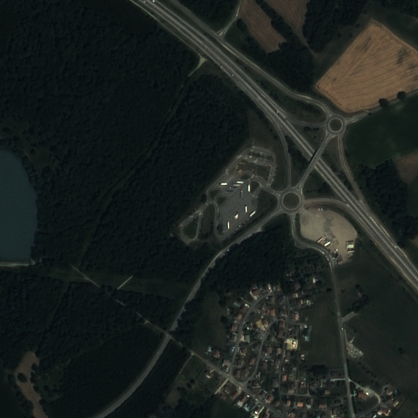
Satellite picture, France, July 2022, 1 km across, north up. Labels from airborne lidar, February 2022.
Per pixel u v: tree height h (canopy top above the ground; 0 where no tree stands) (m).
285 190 0
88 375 10
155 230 25
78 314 23
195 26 0
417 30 0
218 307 0
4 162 0
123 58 25
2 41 12
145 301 24
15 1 23
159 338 6
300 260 7
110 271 19
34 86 25
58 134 25
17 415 0
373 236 0
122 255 23
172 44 24
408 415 0
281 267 7
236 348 0
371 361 0
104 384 6
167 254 24
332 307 0
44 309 22
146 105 20
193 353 0
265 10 8
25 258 0
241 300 9
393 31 0
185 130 24
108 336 16
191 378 0
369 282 0
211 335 0
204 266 13
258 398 0
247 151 0
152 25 9
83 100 30
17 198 0
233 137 29
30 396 0
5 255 0
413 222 22
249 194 0
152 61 25
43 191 24
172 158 22
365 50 0
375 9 0
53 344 24
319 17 21
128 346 7
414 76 0
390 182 27
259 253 31
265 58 17
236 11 0
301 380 0
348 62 0
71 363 7
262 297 0
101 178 27
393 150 0
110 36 25
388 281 0
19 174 0
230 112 24
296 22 0
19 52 27
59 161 24
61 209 29
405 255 0
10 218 0
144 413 8
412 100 0
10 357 29
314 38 25
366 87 0
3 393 0
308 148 0
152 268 25
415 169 0
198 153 27
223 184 0
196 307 25
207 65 0
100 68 25
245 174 0
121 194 16
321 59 0
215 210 0
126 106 18
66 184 20
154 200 26
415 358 0
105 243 21
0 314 22
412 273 0
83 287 19
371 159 0
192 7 22
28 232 0
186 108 23
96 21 26
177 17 0
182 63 22
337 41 0
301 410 0
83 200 25
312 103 0
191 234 0
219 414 0
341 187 0
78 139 25
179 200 25
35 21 28
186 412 20
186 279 26
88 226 20
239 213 0
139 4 0
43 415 0
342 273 0
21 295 29
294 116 0
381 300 0
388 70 0
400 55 0
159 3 0
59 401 9
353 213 0
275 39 0
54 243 20
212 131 23
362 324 0
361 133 0
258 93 0
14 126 0
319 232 0
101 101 24
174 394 0
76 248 21
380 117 0
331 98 0
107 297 21
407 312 0
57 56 10
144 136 20
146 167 19
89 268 16
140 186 20
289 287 14
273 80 0
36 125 24
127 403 8
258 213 0
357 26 11
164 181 26
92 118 25
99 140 23
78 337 29
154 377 8
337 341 0
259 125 0
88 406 8
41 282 17
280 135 0
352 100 0
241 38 0
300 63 25
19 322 26
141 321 13
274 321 0
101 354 7
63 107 27
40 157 0
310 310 0
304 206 0
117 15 10
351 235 0
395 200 26
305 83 6
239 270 27
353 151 0
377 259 0
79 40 27
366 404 0
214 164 27
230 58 0
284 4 0
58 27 29
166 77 23
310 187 0
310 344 0
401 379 0
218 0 28
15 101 22
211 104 6
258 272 26
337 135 0
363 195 0
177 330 14
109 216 19
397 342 0
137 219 27
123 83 17
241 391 0
